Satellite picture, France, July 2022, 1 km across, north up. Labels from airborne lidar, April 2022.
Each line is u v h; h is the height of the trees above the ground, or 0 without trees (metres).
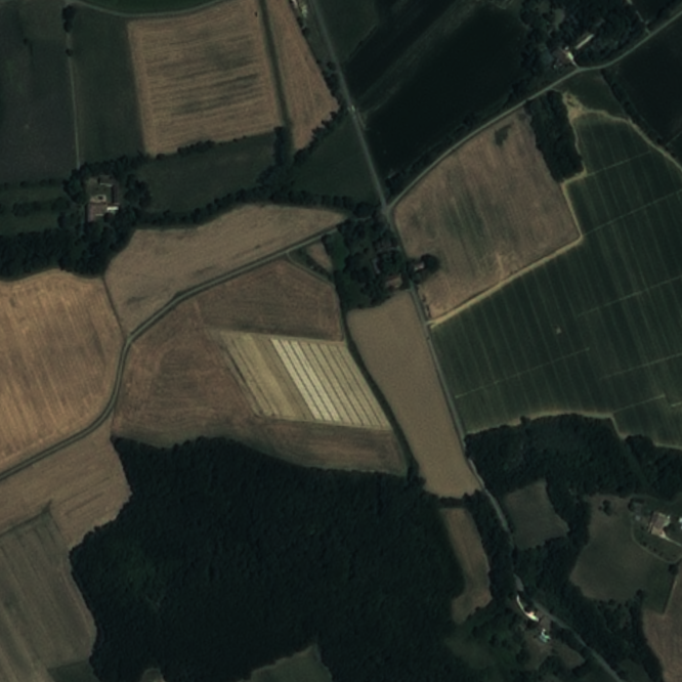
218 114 0
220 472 25
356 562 22
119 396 0
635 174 0
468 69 0
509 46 0
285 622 16
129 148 0
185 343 0
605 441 19
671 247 0
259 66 0
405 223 0
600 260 0
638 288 0
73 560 7
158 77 0
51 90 0
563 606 8
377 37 0
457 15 0
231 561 17
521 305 0
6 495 0
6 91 0
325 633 19
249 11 0
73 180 9
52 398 0
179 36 0
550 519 0
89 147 0
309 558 20
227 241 0
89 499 0
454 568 9
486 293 0
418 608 13
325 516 17
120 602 10
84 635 0
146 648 11
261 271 0
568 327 0
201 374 0
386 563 17
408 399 0
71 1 0
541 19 14
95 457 0
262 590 15
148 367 0
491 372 0
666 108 0
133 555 9
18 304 0
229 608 12
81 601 0
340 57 0
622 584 0
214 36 0
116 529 12
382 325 0
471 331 0
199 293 0
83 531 0
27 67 0
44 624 0
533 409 0
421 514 6
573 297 0
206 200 0
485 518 6
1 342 0
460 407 0
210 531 15
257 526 22
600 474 13
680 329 0
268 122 0
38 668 0
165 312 0
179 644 15
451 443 0
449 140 6
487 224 0
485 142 0
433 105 0
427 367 0
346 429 0
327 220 0
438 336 0
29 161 0
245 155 0
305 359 0
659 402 0
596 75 0
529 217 0
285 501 20
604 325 0
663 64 0
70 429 0
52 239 19
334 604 22
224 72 0
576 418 15
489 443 18
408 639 18
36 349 0
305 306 0
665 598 0
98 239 9
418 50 0
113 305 0
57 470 0
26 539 0
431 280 0
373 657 23
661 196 0
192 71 0
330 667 12
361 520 22
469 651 0
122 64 0
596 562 0
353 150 0
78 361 0
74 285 0
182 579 13
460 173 0
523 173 0
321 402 0
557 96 18
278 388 0
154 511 14
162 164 0
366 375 0
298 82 0
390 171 0
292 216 0
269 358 0
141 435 0
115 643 14
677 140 0
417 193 0
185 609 12
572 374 0
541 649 0
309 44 0
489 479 10
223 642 14
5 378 0
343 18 0
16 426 0
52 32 0
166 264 0
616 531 0
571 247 0
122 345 0
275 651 14
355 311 0
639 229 0
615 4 20
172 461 14
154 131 0
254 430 0
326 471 8
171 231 0
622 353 0
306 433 0
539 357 0
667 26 0
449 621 6
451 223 0
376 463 0
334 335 0
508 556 9
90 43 0
